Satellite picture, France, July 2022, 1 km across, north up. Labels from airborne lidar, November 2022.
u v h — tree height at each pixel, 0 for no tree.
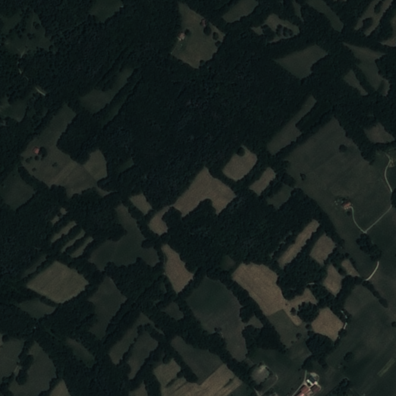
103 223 20
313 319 16
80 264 17
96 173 0
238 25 17
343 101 19
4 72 17
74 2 13
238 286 19
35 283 0
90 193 6
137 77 17
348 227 0
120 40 11
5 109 0
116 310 0
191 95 22
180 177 19
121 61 16
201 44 0
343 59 17
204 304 0
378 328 0
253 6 0
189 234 16
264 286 0
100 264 0
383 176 0
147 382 17
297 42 19
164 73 20
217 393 0
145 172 19
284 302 0
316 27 15
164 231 0
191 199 0
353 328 0
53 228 7
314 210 20
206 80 19
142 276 17
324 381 0
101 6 0
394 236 0
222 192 0
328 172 0
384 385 0
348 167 0
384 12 0
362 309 0
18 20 0
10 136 14
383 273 0
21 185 0
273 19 0
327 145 0
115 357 0
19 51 0
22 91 16
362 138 15
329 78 19
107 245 0
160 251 13
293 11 18
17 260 19
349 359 14
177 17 18
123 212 0
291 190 0
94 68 12
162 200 16
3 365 0
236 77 20
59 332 17
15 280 18
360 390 0
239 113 16
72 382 17
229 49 21
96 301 0
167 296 20
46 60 11
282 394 0
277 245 18
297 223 17
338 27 0
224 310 0
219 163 23
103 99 0
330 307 12
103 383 27
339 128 0
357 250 0
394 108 21
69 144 19
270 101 15
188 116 24
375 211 0
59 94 20
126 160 15
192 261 15
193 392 0
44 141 0
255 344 18
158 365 0
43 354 0
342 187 0
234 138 18
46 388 0
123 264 0
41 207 16
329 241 0
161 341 16
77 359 23
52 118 13
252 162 0
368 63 0
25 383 11
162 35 18
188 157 24
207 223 17
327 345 27
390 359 0
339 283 0
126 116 16
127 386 18
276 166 23
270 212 20
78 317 20
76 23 17
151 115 17
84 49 19
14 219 22
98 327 0
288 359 0
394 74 21
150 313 20
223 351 22
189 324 17
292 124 0
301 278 19
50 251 19
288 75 17
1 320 20
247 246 27
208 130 16
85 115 17
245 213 17
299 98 15
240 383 0
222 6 15
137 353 0
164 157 21
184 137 18
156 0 13
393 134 15
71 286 0
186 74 16
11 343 0
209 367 0
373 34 12
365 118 11
